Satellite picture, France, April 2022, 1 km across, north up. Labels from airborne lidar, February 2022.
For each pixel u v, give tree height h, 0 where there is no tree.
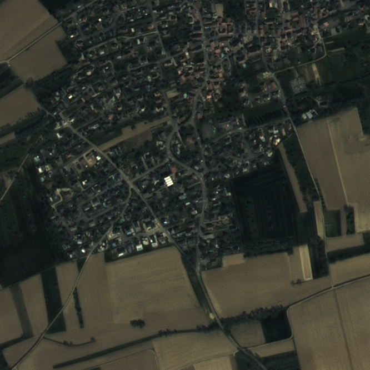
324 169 0
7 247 0
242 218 0
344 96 0
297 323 0
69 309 0
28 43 0
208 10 0
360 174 0
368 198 0
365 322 0
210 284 0
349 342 0
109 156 0
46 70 0
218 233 0
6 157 0
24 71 0
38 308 0
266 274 0
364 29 8
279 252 6
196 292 0
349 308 0
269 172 0
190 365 0
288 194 0
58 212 7
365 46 8
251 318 20
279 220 0
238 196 0
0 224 0
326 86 7
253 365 21
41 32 0
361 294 0
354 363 0
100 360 0
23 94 0
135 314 0
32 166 0
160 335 15
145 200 0
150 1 0
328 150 0
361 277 0
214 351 0
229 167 13
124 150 0
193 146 0
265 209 0
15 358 0
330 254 0
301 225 0
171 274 0
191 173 0
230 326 16
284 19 0
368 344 0
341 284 0
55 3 0
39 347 0
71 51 0
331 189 0
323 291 0
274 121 23
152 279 0
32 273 0
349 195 0
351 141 0
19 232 0
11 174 8
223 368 0
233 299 0
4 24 0
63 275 0
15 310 0
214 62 0
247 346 0
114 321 0
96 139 0
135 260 0
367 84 0
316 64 0
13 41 0
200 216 0
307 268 0
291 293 0
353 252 0
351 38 0
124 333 0
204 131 0
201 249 15
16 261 0
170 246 0
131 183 0
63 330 0
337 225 0
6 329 0
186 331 0
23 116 0
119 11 0
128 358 0
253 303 0
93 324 0
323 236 0
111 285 0
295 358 13
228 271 0
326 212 0
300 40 11
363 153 0
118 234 0
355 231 6
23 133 9
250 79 0
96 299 0
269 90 0
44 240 0
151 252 0
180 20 12
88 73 0
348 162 0
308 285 0
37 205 0
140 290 0
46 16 0
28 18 0
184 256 10
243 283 0
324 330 0
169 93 0
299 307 0
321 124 0
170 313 0
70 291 0
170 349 0
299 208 0
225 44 0
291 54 0
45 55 0
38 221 0
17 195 0
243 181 0
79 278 0
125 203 0
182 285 0
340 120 0
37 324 0
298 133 0
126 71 9
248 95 0
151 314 0
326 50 0
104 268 0
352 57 9
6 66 0
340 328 0
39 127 10
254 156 0
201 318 0
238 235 17
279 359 10
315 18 0
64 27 0
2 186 0
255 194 0
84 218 0
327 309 0
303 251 0
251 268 0
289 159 10
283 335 0
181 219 0
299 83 0
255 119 0
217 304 0
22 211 0
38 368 0
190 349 0
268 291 0
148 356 0
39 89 16
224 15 8
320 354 0
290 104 16
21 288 0
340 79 0
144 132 0
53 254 0
